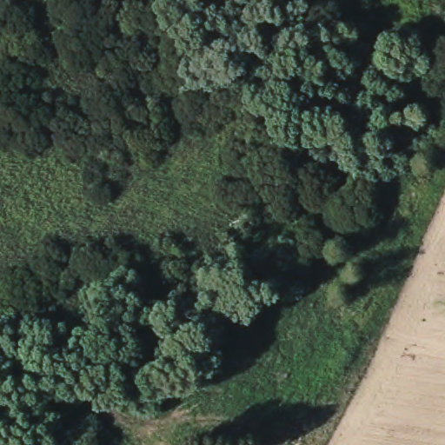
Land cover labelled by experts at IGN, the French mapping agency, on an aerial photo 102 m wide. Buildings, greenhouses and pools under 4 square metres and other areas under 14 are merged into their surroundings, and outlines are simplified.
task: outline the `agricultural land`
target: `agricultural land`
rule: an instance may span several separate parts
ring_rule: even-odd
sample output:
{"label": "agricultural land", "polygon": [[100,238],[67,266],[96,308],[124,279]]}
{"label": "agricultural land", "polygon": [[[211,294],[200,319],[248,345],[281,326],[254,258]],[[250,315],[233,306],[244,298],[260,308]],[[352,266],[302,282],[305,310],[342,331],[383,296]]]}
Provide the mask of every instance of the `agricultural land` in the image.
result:
{"label": "agricultural land", "polygon": [[415,259],[414,269],[403,285],[402,294],[391,313],[388,327],[381,335],[379,348],[375,351],[369,372],[353,398],[329,445],[445,445],[445,193],[440,207],[436,210],[435,219],[429,224],[424,236],[421,254]]}

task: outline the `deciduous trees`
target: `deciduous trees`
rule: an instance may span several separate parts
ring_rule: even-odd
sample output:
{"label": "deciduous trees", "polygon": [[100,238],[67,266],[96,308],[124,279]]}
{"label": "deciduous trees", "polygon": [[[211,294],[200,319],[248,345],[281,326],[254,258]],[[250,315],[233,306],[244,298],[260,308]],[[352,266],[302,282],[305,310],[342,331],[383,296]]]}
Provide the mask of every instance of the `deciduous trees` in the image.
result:
{"label": "deciduous trees", "polygon": [[17,9],[16,5],[12,5],[12,0],[0,0],[0,64],[9,61],[10,56],[16,56],[17,59],[31,64],[31,59],[35,56],[33,43],[37,42],[37,35],[30,28],[26,28],[23,12]]}
{"label": "deciduous trees", "polygon": [[249,325],[250,320],[259,313],[262,304],[275,304],[278,301],[276,294],[269,292],[268,283],[243,280],[233,242],[226,247],[226,252],[229,261],[224,269],[196,269],[196,309],[214,309],[228,316],[231,322]]}
{"label": "deciduous trees", "polygon": [[229,442],[221,436],[217,440],[210,440],[212,429],[193,428],[191,422],[181,422],[177,424],[170,445],[256,445],[254,438]]}
{"label": "deciduous trees", "polygon": [[68,0],[43,0],[52,24],[52,42],[56,45],[57,59],[68,73],[76,71],[76,66],[68,63],[68,50],[76,50],[78,47],[73,35],[75,5]]}
{"label": "deciduous trees", "polygon": [[78,290],[78,311],[82,313],[83,322],[80,327],[71,330],[68,344],[63,348],[63,355],[47,356],[45,353],[50,339],[47,320],[33,322],[28,316],[23,316],[19,329],[21,334],[24,334],[24,339],[17,342],[10,342],[10,327],[3,327],[0,330],[0,445],[141,445],[141,438],[123,433],[123,429],[115,422],[113,412],[136,419],[162,419],[177,408],[181,405],[181,400],[188,400],[189,396],[195,395],[196,386],[191,356],[195,351],[207,351],[209,339],[203,337],[202,323],[181,325],[177,322],[174,318],[176,304],[167,299],[165,302],[155,302],[153,308],[144,309],[141,315],[139,323],[151,325],[151,329],[158,337],[158,348],[155,349],[155,360],[146,363],[136,374],[136,386],[141,395],[137,396],[134,402],[123,400],[122,389],[116,384],[123,379],[120,369],[123,363],[127,362],[129,356],[136,356],[136,341],[130,335],[130,320],[137,297],[113,283],[116,276],[122,273],[123,266],[116,266],[108,278],[101,278],[99,282],[92,282],[89,287]]}
{"label": "deciduous trees", "polygon": [[184,54],[177,68],[177,76],[184,82],[183,85],[179,85],[179,92],[203,90],[210,94],[212,90],[224,87],[229,82],[245,83],[240,113],[249,111],[252,115],[262,116],[271,143],[280,148],[306,148],[309,156],[313,156],[318,162],[335,162],[339,169],[348,172],[351,177],[358,176],[358,170],[365,170],[370,156],[379,155],[377,134],[382,127],[407,125],[410,129],[419,129],[424,123],[424,116],[417,104],[410,104],[405,110],[396,111],[391,116],[382,115],[382,106],[372,103],[372,96],[381,94],[388,101],[395,101],[402,96],[402,92],[398,90],[400,83],[410,82],[421,76],[428,64],[428,59],[419,54],[417,35],[400,40],[396,35],[386,31],[377,35],[374,30],[369,30],[363,24],[356,24],[353,30],[349,30],[346,24],[342,23],[344,19],[341,10],[329,0],[153,0],[141,16],[144,33],[156,35],[158,30],[165,31],[167,37],[174,40],[177,54]]}

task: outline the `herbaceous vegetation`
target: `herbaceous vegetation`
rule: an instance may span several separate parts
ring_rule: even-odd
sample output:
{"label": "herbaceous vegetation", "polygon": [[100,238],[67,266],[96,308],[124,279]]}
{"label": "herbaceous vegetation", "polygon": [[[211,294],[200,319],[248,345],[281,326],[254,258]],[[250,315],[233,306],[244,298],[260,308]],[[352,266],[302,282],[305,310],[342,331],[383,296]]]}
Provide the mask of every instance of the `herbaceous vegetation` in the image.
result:
{"label": "herbaceous vegetation", "polygon": [[181,136],[181,141],[172,146],[167,162],[162,165],[146,162],[144,156],[137,162],[132,162],[132,177],[127,189],[116,202],[108,202],[106,205],[99,205],[89,196],[85,196],[82,186],[85,167],[80,163],[68,162],[63,148],[52,146],[49,149],[49,156],[37,158],[28,158],[28,155],[21,153],[19,149],[12,149],[14,156],[9,156],[3,151],[0,153],[0,273],[3,269],[10,271],[10,266],[28,264],[35,254],[45,256],[47,247],[43,245],[43,238],[47,235],[57,235],[64,240],[70,240],[71,249],[90,249],[90,243],[99,236],[103,238],[104,243],[108,243],[115,240],[116,235],[127,233],[136,236],[141,242],[148,243],[149,249],[156,254],[181,256],[181,250],[170,242],[170,231],[184,233],[189,228],[200,228],[202,231],[217,235],[217,249],[226,252],[226,247],[233,242],[226,233],[231,229],[231,221],[240,216],[243,210],[235,205],[226,205],[217,189],[222,177],[228,176],[229,158],[233,156],[229,153],[228,137],[222,132],[217,132],[216,136],[212,137],[200,137],[198,134]]}
{"label": "herbaceous vegetation", "polygon": [[415,177],[414,183],[410,186],[402,186],[396,177],[389,181],[375,181],[370,193],[369,209],[365,212],[365,216],[374,226],[358,229],[355,233],[344,236],[342,243],[346,254],[341,257],[341,261],[332,264],[337,273],[341,273],[346,264],[353,266],[358,276],[358,282],[349,283],[342,292],[344,302],[339,308],[332,308],[327,304],[327,285],[322,285],[316,292],[297,302],[296,306],[283,309],[280,322],[276,323],[275,342],[257,358],[256,365],[249,372],[238,374],[233,381],[221,382],[216,386],[196,386],[195,395],[189,396],[188,400],[181,400],[181,405],[177,408],[188,408],[191,415],[222,415],[226,421],[212,429],[210,440],[217,440],[221,436],[229,442],[254,438],[256,445],[294,445],[299,436],[308,435],[309,431],[315,431],[325,422],[329,422],[330,417],[339,410],[342,395],[353,398],[369,372],[375,351],[379,348],[381,335],[388,327],[391,313],[402,294],[403,285],[414,269],[415,259],[421,254],[424,236],[429,224],[435,219],[436,210],[440,207],[445,193],[445,146],[435,144],[431,148],[426,176]]}
{"label": "herbaceous vegetation", "polygon": [[374,30],[377,35],[386,31],[396,35],[400,40],[417,35],[419,54],[428,59],[428,64],[435,64],[436,40],[445,37],[445,0],[329,0],[341,10],[344,19],[342,23],[346,24],[349,30],[353,30],[356,24],[363,24],[369,30]]}

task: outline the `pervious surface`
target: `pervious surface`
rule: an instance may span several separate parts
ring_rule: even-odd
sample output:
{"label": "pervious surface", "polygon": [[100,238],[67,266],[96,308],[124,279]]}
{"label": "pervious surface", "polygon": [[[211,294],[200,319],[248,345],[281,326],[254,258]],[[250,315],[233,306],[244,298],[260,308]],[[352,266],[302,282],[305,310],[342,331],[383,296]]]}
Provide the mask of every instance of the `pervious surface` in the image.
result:
{"label": "pervious surface", "polygon": [[315,431],[309,431],[308,435],[299,436],[294,445],[329,445],[353,398],[342,395],[339,410],[330,417],[329,422],[325,422]]}
{"label": "pervious surface", "polygon": [[191,415],[188,408],[177,408],[162,419],[136,419],[113,412],[115,422],[123,429],[123,433],[141,438],[141,445],[170,445],[177,424],[181,422],[191,422],[193,428],[212,429],[226,421],[222,415]]}

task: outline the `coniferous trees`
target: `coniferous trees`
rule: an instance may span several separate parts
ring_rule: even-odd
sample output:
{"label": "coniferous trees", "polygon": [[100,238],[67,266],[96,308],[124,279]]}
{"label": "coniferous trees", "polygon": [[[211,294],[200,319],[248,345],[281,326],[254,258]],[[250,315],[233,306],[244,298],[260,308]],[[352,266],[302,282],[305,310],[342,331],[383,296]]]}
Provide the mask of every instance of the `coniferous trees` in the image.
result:
{"label": "coniferous trees", "polygon": [[47,235],[43,238],[43,245],[47,247],[45,256],[35,254],[28,264],[10,266],[10,271],[3,269],[0,273],[0,330],[3,327],[10,327],[10,342],[17,342],[24,339],[24,334],[21,334],[19,329],[23,316],[28,316],[33,322],[47,320],[50,339],[45,353],[47,356],[63,355],[63,348],[68,344],[71,330],[80,327],[83,322],[82,313],[78,311],[78,290],[89,287],[92,282],[99,282],[101,278],[108,278],[116,266],[123,266],[122,273],[116,276],[113,283],[137,297],[130,320],[130,335],[136,341],[136,356],[129,356],[127,362],[123,363],[120,369],[123,379],[116,384],[122,389],[123,400],[134,402],[137,396],[141,395],[136,386],[136,374],[146,363],[155,360],[155,349],[158,348],[158,337],[151,329],[151,325],[139,323],[141,315],[144,309],[153,308],[155,302],[165,302],[167,299],[176,304],[174,318],[177,322],[181,325],[202,323],[203,337],[209,339],[207,351],[195,351],[191,356],[196,386],[216,386],[221,382],[233,381],[238,374],[249,372],[256,365],[257,358],[275,342],[276,323],[280,322],[283,309],[296,306],[297,302],[316,292],[322,285],[327,285],[327,304],[332,308],[339,308],[344,302],[342,292],[349,283],[358,282],[358,276],[353,266],[346,264],[341,273],[337,273],[332,264],[341,261],[341,257],[346,254],[342,243],[344,236],[355,233],[358,229],[374,226],[365,216],[365,212],[369,209],[370,193],[375,181],[389,181],[396,177],[402,186],[410,186],[414,183],[415,177],[426,176],[431,148],[435,144],[445,146],[445,37],[436,40],[435,64],[428,64],[421,76],[410,82],[400,83],[398,90],[402,92],[402,96],[395,101],[388,101],[381,94],[372,96],[372,103],[382,106],[382,115],[391,116],[396,111],[405,110],[410,104],[417,104],[424,116],[424,123],[419,129],[410,129],[407,125],[382,127],[377,134],[379,155],[370,156],[365,170],[358,170],[358,176],[351,177],[348,172],[339,169],[335,162],[318,162],[313,156],[309,156],[306,148],[280,148],[271,143],[262,116],[252,115],[249,111],[240,113],[245,83],[229,82],[224,87],[212,90],[210,94],[203,90],[179,92],[179,85],[183,85],[184,82],[177,76],[177,68],[184,54],[177,54],[174,40],[167,37],[165,31],[158,30],[156,35],[144,33],[141,16],[153,0],[68,0],[75,5],[73,35],[78,47],[76,50],[68,50],[68,63],[76,66],[76,71],[68,73],[57,59],[56,45],[52,42],[52,24],[43,0],[12,0],[12,5],[16,5],[17,9],[23,12],[26,28],[30,28],[37,35],[37,42],[33,43],[35,56],[31,59],[31,64],[17,59],[16,56],[10,56],[9,61],[0,64],[0,153],[3,151],[9,156],[14,156],[12,149],[19,149],[21,153],[28,155],[28,158],[37,158],[49,156],[49,149],[52,146],[63,148],[68,162],[80,163],[85,167],[82,186],[85,196],[89,196],[99,205],[106,205],[108,202],[116,202],[127,189],[132,177],[132,162],[137,162],[144,156],[146,162],[162,165],[167,162],[172,146],[181,141],[181,136],[198,134],[200,137],[212,137],[216,136],[217,132],[222,132],[228,137],[229,153],[233,156],[229,158],[228,176],[222,177],[217,189],[226,205],[235,205],[243,210],[240,216],[231,221],[231,229],[226,233],[233,242],[243,280],[268,283],[269,292],[276,294],[278,301],[275,304],[262,304],[259,313],[250,320],[249,325],[231,322],[228,316],[214,309],[196,309],[196,269],[224,269],[229,261],[226,252],[217,249],[217,235],[202,231],[200,228],[189,228],[184,233],[170,231],[170,242],[181,250],[181,256],[156,254],[149,249],[148,243],[141,242],[136,236],[127,233],[116,235],[115,240],[108,243],[104,243],[103,238],[99,236],[90,243],[90,249],[71,249],[70,240],[64,240],[57,235]]}

